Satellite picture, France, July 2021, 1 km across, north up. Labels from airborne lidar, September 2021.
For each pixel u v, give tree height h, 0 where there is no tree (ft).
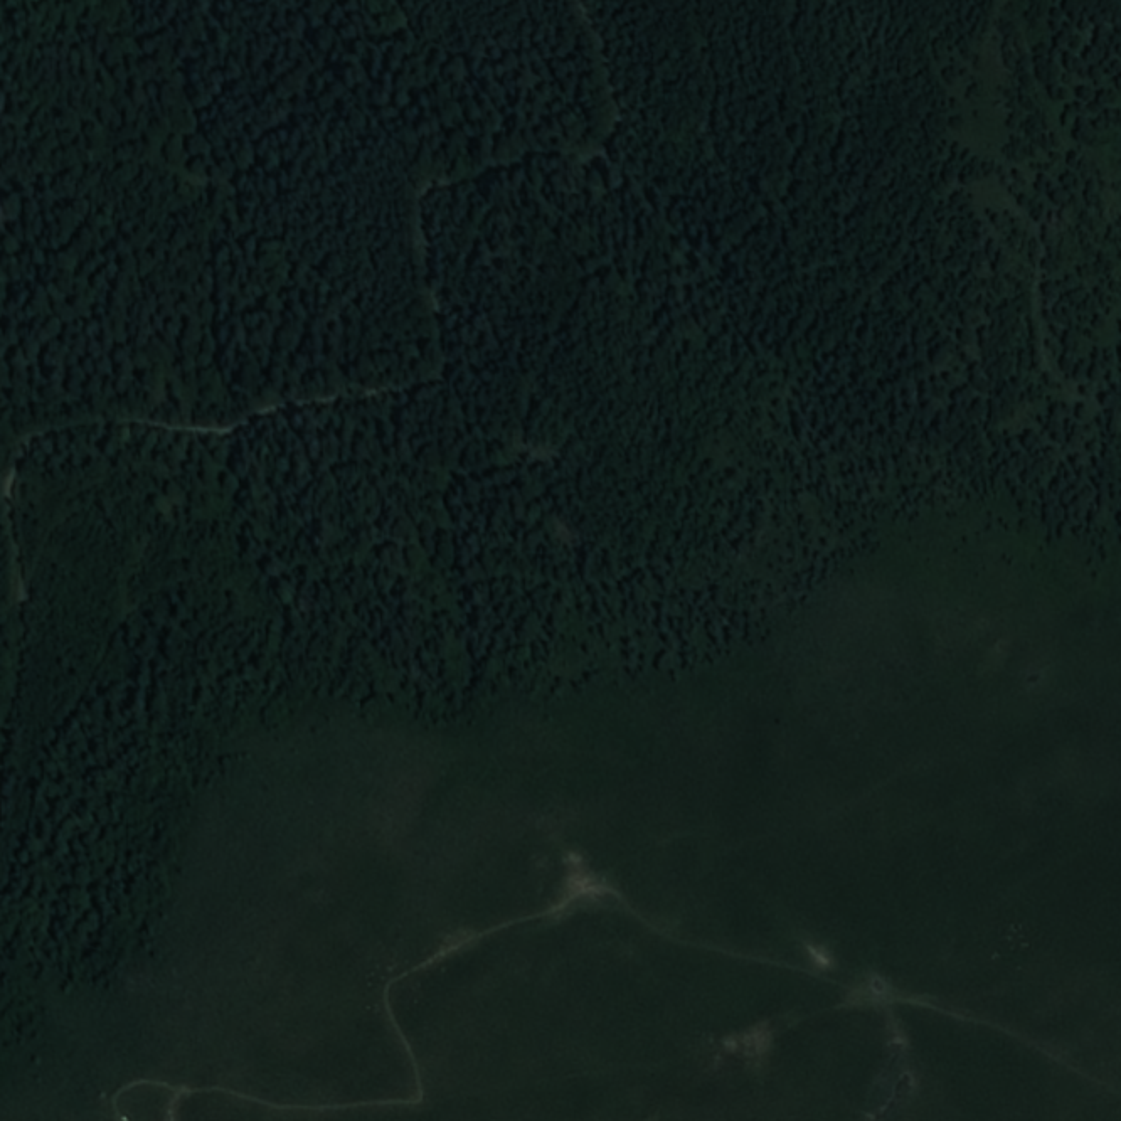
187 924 0
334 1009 0
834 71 41
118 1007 0
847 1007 0
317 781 0
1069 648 0
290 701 36
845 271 32
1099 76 92
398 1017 0
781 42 55
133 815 47
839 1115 0
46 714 30
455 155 109
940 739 0
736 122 63
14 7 64
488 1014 0
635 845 0
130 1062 0
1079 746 0
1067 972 0
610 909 0
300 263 59
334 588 59
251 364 76
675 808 0
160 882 34
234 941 0
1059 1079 0
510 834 0
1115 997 0
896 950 0
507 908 0
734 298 51
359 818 0
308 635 58
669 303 44
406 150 68
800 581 22
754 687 0
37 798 58
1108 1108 0
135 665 22
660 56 55
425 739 0
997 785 0
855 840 0
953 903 0
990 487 32
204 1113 0
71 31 57
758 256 52
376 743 0
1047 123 51
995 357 27
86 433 44
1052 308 73
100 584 19
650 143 24
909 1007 0
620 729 0
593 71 107
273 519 26
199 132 45
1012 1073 0
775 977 0
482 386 36
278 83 57
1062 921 0
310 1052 0
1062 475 31
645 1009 0
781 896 0
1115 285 44
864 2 31
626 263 65
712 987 0
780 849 0
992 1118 0
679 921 0
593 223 71
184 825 20
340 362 81
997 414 67
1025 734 0
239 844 0
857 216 36
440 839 0
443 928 0
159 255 76
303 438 36
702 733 0
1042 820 0
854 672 0
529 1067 0
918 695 0
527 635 69
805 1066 0
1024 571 0
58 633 35
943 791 0
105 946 68
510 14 72
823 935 0
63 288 108
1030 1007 0
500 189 84
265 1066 0
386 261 84
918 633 0
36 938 49
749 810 0
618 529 24
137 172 51
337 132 36
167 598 28
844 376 49
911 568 0
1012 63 42
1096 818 0
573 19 63
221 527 51
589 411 49
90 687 26
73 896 72
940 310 28
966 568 0
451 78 88
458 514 88
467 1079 0
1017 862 0
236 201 42
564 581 75
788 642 0
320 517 75
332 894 0
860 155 42
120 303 102
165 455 51
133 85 48
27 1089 0
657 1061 0
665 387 34
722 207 72
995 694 0
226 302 122
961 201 41
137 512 23
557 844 0
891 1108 0
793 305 43
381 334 79
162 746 35
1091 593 0
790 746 0
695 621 21
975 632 0
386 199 68
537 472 52
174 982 0
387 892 0
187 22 82
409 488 31
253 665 25
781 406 40
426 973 0
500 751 0
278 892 0
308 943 0
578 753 0
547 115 75
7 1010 53
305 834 0
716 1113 0
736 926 0
